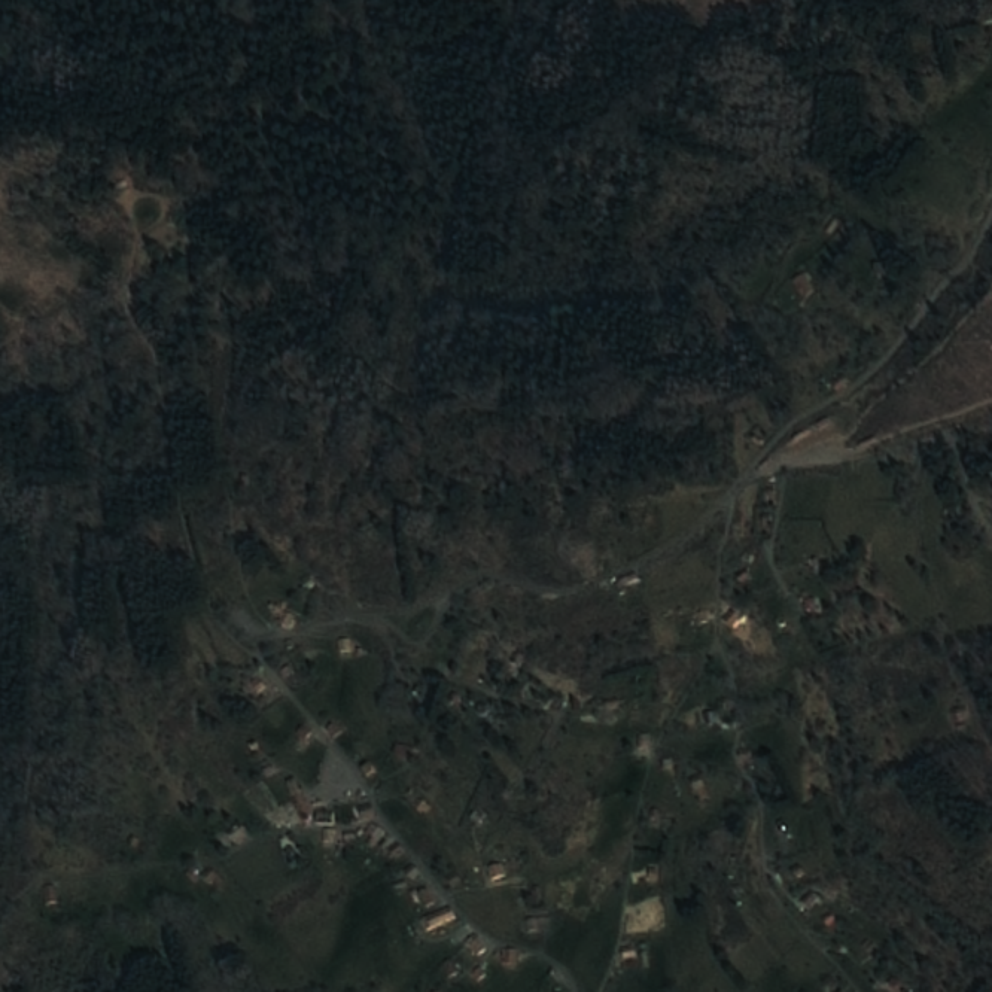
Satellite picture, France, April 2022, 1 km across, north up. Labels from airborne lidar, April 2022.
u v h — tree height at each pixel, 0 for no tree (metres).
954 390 0
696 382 26
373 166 22
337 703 0
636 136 29
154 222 0
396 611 0
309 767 0
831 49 16
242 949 10
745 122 20
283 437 18
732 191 13
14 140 22
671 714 0
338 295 22
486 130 18
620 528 6
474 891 0
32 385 20
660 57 25
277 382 15
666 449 13
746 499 0
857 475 0
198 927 21
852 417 0
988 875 12
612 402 26
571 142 25
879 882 7
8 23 32
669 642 0
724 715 12
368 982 0
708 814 0
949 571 0
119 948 0
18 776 19
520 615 0
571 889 0
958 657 21
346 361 22
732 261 22
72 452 28
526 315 7
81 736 8
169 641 23
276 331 15
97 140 18
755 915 0
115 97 25
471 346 31
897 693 0
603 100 27
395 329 33
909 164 33
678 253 18
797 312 0
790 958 0
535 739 0
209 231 27
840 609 8
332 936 0
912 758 0
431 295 8
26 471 28
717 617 0
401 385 6
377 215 34
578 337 21
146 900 0
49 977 15
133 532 19
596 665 14
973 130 0
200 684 0
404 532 17
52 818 25
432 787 0
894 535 0
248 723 15
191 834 0
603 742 0
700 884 0
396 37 20
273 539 0
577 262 7
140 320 20
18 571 25
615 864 0
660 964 0
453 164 27
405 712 23
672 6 0
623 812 0
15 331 0
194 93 15
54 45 23
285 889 0
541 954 0
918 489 14
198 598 24
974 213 0
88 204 10
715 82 28
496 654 14
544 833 7
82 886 0
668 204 13
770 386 24
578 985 0
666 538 0
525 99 24
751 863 9
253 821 9
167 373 7
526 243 25
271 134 12
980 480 23
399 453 20
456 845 0
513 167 28
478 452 7
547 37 25
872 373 0
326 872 0
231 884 0
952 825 24
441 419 9
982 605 0
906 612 0
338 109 33
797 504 0
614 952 0
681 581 0
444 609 0
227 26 28
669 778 0
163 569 29
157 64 16
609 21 25
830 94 27
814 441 0
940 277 0
